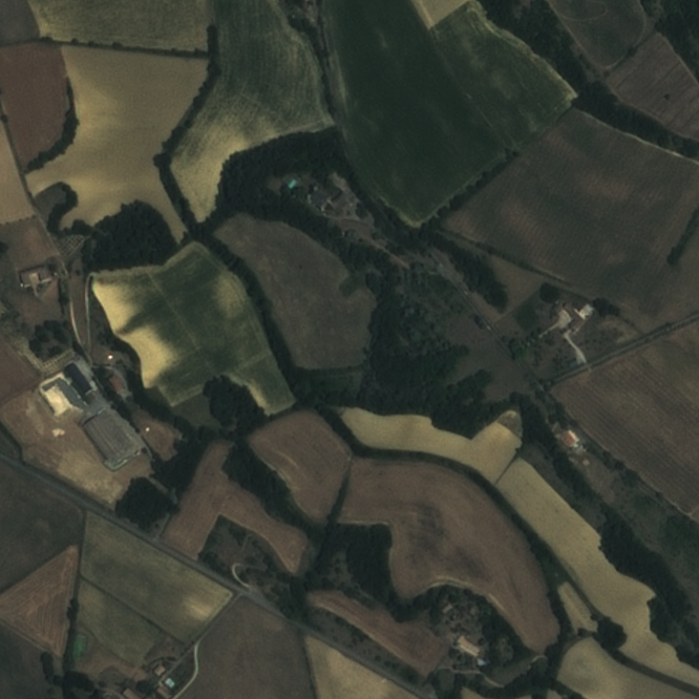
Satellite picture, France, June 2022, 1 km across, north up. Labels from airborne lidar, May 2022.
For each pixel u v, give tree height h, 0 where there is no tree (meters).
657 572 15
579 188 0
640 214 0
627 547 17
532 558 0
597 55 0
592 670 0
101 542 0
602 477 0
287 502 8
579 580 0
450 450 0
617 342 0
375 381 7
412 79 0
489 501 0
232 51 0
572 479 13
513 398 13
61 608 0
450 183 0
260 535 0
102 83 0
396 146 0
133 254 11
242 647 0
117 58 0
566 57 10
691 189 0
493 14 12
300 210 14
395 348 11
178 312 0
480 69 0
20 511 0
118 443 0
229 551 0
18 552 0
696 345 0
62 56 0
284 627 0
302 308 0
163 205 0
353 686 0
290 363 17
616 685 0
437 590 8
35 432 0
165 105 0
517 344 18
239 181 12
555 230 0
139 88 0
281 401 0
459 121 0
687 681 0
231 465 5
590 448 10
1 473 0
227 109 0
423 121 0
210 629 0
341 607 0
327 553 16
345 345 0
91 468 0
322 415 16
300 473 0
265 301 10
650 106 0
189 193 0
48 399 0
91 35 0
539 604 0
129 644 0
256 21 0
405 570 0
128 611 0
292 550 0
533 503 0
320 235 8
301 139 15
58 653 0
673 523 11
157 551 0
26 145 0
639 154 0
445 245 15
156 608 0
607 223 0
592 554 0
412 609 14
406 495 0
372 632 0
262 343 0
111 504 0
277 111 0
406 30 0
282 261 0
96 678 0
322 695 0
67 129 13
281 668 0
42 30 0
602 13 0
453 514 0
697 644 7
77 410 0
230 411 19
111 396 12
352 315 0
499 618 14
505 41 0
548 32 7
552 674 17
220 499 0
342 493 10
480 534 0
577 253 0
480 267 16
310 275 0
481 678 9
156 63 0
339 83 0
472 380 17
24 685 0
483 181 8
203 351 0
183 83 0
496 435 0
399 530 0
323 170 11
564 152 0
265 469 9
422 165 0
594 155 0
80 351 12
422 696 0
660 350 0
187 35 0
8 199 0
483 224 0
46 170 0
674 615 14
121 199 0
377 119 0
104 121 0
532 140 0
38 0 0
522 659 10
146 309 0
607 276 0
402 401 11
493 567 0
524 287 0
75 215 0
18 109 0
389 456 6
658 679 0
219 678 0
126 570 0
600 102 14
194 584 0
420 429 0
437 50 0
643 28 0
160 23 0
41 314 0
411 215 0
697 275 0
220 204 14
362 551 14
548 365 0
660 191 0
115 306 0
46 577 0
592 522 0
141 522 7
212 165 0
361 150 0
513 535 0
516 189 0
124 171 0
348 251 7
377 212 12
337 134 13
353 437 15
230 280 0
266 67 0
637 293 0
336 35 0
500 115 0
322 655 0
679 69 0
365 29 0
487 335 0
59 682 14
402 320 9
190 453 14
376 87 0
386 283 14
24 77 0
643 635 0
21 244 0
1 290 0
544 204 0
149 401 17
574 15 0
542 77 0
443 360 19
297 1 11
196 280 0
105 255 17
